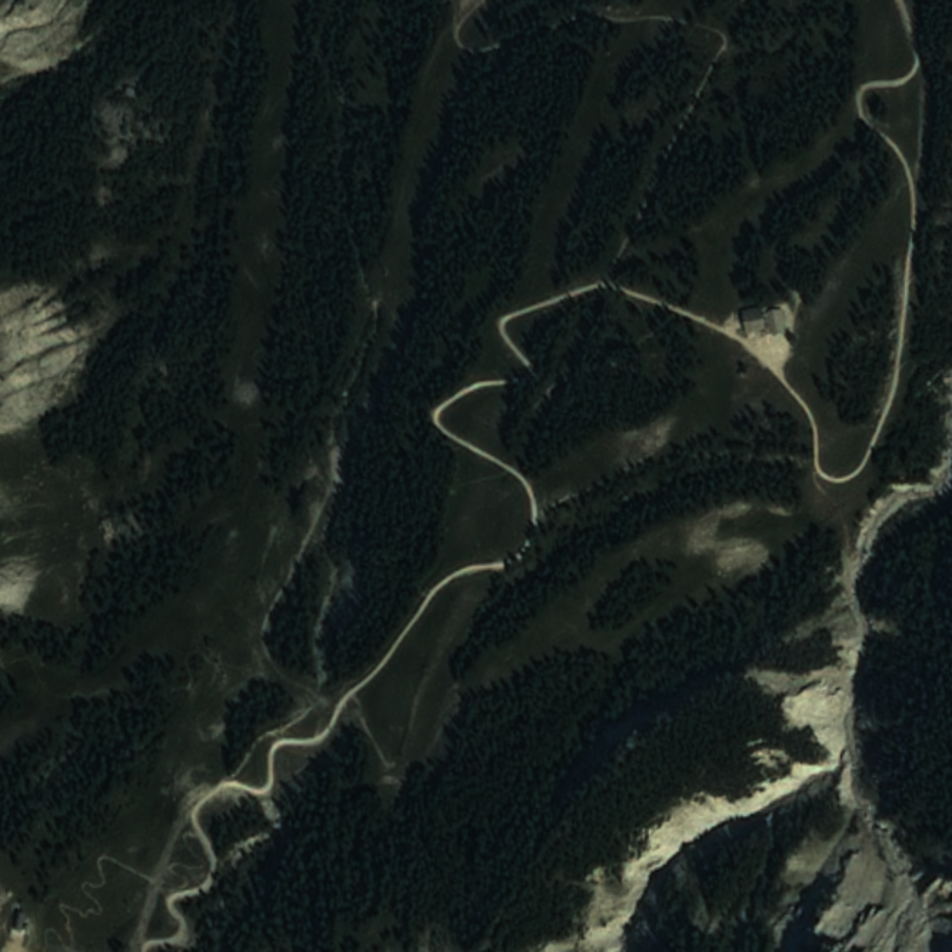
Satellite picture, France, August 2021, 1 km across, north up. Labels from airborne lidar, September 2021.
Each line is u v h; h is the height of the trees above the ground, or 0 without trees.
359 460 19
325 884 14
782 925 0
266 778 0
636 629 0
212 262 12
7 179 19
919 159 0
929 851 0
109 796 15
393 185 20
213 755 0
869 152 30
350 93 16
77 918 0
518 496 0
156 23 15
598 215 23
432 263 20
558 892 11
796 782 0
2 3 0
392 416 16
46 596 0
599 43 21
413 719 0
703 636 20
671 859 0
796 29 21
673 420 0
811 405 0
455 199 17
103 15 19
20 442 0
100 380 12
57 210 21
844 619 0
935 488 0
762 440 20
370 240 18
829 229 0
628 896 0
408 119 19
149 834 0
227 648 0
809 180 0
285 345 13
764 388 0
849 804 0
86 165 16
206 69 19
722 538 0
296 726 0
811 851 0
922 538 21
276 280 0
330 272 16
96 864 0
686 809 0
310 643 18
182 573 9
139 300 13
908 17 0
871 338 14
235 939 19
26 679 0
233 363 0
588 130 0
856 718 0
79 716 10
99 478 0
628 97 21
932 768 21
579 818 13
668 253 0
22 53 0
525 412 17
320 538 0
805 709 0
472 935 8
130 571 21
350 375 7
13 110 14
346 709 0
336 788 18
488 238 16
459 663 13
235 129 21
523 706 20
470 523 0
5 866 0
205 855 0
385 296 0
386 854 14
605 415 18
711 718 16
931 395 7
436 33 13
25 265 20
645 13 0
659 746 11
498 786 23
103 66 11
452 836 7
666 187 22
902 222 0
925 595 12
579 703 18
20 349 0
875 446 0
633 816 18
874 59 0
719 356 0
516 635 17
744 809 0
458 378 20
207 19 19
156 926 0
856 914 0
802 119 24
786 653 8
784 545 0
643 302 0
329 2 18
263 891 21
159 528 17
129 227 23
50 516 0
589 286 0
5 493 0
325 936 17
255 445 0
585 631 0
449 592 0
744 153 22
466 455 0
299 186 20
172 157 9
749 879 7
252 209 0
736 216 0
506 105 19
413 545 11
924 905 0
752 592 9
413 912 15
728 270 0
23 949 0
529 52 21
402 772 0
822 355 0
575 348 0
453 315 18
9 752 0
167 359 13
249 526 0
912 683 6
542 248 0
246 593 0
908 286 0
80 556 0
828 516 0
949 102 20
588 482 0
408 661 0
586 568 18
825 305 0
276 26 0
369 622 16
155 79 15
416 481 14
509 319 0
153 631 0
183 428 21
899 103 0
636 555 0
